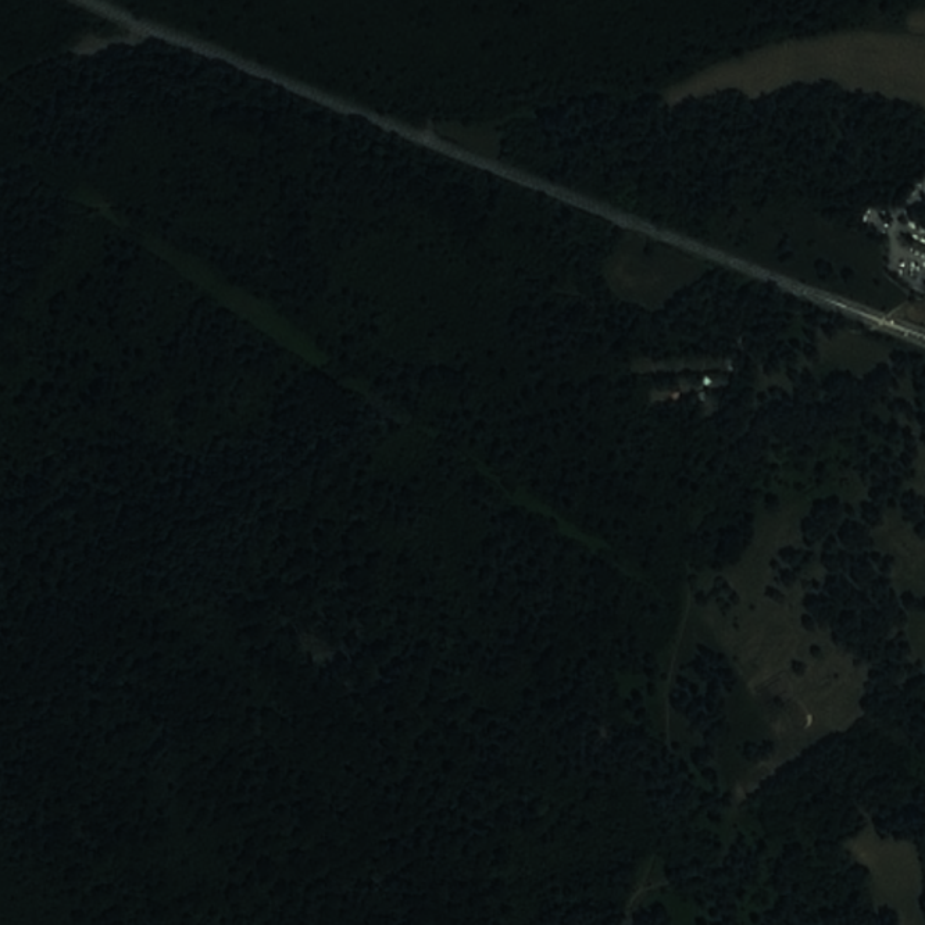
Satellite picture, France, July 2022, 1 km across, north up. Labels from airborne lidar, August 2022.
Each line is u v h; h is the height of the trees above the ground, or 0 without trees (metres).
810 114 15
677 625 6
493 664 19
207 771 12
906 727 7
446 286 7
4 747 23
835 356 0
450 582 7
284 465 15
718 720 6
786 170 14
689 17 8
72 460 21
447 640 17
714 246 0
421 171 8
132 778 10
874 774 6
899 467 18
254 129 18
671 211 6
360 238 6
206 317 11
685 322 14
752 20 9
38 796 10
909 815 28
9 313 18
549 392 6
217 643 5
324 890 14
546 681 18
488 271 7
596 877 6
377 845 20
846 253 0
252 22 7
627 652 9
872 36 0
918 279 0
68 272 8
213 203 13
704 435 7
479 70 8
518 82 9
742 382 8
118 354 8
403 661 23
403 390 8
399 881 16
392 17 7
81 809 19
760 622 0
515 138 6
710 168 15
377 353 10
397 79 8
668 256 0
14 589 16
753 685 0
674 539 7
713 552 8
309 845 17
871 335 11
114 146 8
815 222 0
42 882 7
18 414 8
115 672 20
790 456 7
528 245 7
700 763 19
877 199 16
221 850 12
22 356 10
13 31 6
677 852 8
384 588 7
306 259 11
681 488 14
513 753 16
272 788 19
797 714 0
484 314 6
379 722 20
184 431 13
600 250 14
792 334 0
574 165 19
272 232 7
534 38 5
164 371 7
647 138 19
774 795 8
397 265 7
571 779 8
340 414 22
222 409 7
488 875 8
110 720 7
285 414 22
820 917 15
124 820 14
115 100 18
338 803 19
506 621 6
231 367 14
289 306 7
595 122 13
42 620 21
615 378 5
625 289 0
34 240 17
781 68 0
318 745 26
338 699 24
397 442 7
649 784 18
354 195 13
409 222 6
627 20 8
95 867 12
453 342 8
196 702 15
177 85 21
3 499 12
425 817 19
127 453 21
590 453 7
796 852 16
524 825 16
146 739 7
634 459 6
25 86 8
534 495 6
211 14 13
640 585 7
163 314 8
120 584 21
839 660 0
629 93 6
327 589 25
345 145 20
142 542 24
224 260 17
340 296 7
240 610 18
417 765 17
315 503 15
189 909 8
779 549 0
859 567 18
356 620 8
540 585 19
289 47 6
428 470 9
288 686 20
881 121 18
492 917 8
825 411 21
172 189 7
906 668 12
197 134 6
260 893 7
